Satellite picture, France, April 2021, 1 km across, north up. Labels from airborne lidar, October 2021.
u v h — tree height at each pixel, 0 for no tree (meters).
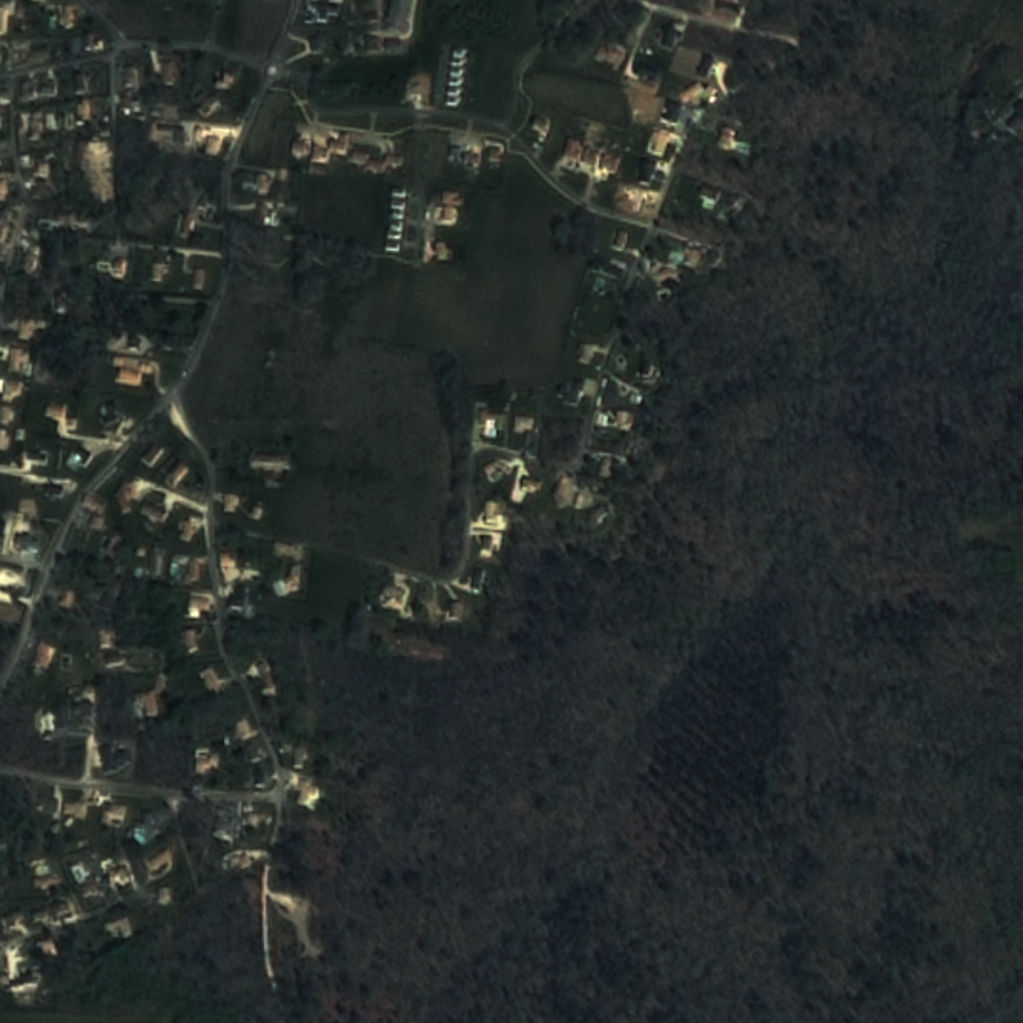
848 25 14
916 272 22
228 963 18
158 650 15
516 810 9
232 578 0
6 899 8
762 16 9
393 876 12
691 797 9
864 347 16
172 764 13
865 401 13
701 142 13
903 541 11
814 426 19
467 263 0
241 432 0
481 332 0
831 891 18
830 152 9
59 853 23
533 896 18
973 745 19
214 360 0
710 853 10
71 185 12
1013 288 13
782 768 14
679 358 16
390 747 16
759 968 13
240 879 6
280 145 0
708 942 16
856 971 12
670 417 20
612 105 0
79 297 17
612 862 12
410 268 0
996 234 19
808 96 14
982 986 20
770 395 23
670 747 13
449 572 16
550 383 0
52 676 11
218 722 14
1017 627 20
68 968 22
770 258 16
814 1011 17
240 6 0
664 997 14
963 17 6
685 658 19
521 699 12
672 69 0
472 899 11
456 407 11
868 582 15
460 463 13
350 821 12
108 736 10
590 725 21
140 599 13
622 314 8
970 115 11
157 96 12
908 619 7
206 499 0
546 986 13
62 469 0
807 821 9
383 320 0
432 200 0
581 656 14
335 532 0
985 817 23
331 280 13
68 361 26
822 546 21
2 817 13
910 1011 14
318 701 14
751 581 15
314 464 0
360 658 17
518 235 0
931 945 15
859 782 17
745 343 14
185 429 0
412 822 12
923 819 21
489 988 22
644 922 16
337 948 13
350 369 0
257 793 0
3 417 0
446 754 11
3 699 13
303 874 24
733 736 12
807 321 22
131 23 0
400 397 0
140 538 0
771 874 18
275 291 17
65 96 8
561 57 11
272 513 0
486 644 7
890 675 23
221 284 0
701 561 25
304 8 0
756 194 7
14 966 0
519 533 17
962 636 20
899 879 15
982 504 17
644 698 20
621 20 16
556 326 0
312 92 7
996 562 22
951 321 22
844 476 15
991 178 18
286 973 14
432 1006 11
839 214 21
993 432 19
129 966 17
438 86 0
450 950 13
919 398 10
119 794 0
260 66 0
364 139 0
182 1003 16
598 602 14
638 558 11
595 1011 17
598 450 8
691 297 13
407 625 9
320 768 9
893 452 11
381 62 0
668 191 0
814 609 13
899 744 24
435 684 16
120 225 9
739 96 12
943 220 20
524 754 13
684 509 9
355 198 0
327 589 0
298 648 15
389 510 0
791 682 9
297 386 0
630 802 14
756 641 13
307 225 0
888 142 17
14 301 11
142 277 6
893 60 20
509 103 0
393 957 14
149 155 15
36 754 9
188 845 11
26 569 0
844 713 12
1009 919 25
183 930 10
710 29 0
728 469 16
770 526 14
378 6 0
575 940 25
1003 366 22
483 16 7
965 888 27
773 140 21
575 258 13
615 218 0
